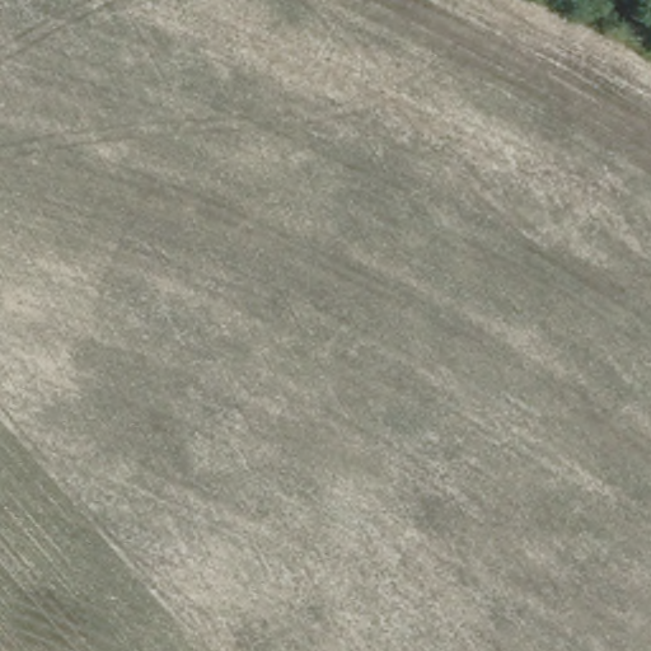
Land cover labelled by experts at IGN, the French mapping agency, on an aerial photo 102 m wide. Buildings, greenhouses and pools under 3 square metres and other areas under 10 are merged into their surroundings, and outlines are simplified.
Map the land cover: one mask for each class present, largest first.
<instances>
[{"label":"agricultural land","instance_id":"1","mask_svg":"<svg viewBox=\"0 0 651 651\"><path fill-rule=\"evenodd\" d=\"M0 651H651V61L608 36H600L587 25L570 23L567 18L552 13L542 0H0Z\"/></svg>","mask_w":651,"mask_h":651},{"label":"vineyard","instance_id":"2","mask_svg":"<svg viewBox=\"0 0 651 651\"><path fill-rule=\"evenodd\" d=\"M552 13L567 18L570 23L587 25L600 36H608L651 61V0H542Z\"/></svg>","mask_w":651,"mask_h":651}]
</instances>
